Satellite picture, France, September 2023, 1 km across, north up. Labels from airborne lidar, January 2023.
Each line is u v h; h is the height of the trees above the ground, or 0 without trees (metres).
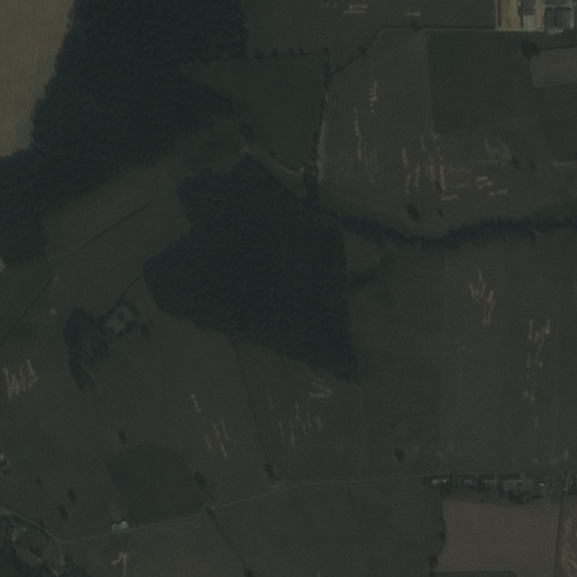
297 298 20
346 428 0
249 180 18
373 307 0
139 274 0
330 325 18
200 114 21
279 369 0
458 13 0
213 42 20
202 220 17
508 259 0
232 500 0
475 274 0
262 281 18
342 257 11
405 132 0
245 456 0
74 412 0
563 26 0
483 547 0
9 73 0
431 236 0
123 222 0
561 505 0
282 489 0
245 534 0
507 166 0
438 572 0
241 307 12
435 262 0
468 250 0
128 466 0
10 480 0
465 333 0
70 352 16
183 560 0
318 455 0
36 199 20
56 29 0
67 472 0
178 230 0
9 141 0
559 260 0
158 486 0
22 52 0
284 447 0
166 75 22
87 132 23
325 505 0
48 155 22
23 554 0
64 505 0
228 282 18
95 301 0
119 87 21
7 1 0
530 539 0
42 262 0
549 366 0
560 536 0
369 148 0
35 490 0
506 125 0
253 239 14
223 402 0
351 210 0
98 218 0
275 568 0
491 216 0
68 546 0
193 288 17
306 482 0
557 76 0
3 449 0
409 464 0
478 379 0
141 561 0
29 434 0
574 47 0
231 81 0
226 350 0
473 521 0
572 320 0
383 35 0
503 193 0
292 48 0
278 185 15
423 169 0
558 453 0
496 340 0
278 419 0
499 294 0
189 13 18
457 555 0
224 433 0
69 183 22
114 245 0
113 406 0
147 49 22
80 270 0
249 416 0
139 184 0
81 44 20
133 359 0
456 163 0
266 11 0
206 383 0
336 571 0
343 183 0
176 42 23
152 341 0
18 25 0
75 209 0
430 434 0
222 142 0
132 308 6
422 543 0
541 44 0
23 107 0
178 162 0
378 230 18
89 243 0
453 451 0
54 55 0
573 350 0
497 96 0
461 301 0
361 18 0
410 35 0
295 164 0
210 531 0
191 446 0
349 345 17
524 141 0
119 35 23
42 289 0
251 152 0
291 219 15
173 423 0
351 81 0
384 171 0
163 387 0
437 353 0
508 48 0
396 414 0
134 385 0
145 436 0
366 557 0
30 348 0
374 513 0
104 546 0
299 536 0
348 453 0
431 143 0
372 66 0
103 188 0
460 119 0
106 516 0
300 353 20
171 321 0
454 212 0
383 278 0
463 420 0
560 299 0
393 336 0
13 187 21
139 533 0
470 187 0
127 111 22
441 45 0
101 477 0
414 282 0
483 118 0
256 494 0
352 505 0
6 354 0
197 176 0
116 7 24
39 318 0
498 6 0
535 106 0
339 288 17
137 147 18
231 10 21
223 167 0
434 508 0
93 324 18
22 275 0
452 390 0
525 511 0
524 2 0
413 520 0
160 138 24
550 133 0
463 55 0
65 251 0
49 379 0
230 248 18
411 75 0
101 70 23
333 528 0
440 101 0
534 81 0
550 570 0
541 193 0
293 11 0
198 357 0
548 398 0
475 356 0
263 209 19
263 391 0
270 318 22
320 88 0
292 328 22
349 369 14
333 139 0
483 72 0
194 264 19
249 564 0
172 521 0
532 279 0
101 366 0
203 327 15
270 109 0
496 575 0
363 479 0
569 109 0
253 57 0
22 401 0
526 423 0
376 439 0
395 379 0
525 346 0
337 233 20
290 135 0
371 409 0
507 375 0
